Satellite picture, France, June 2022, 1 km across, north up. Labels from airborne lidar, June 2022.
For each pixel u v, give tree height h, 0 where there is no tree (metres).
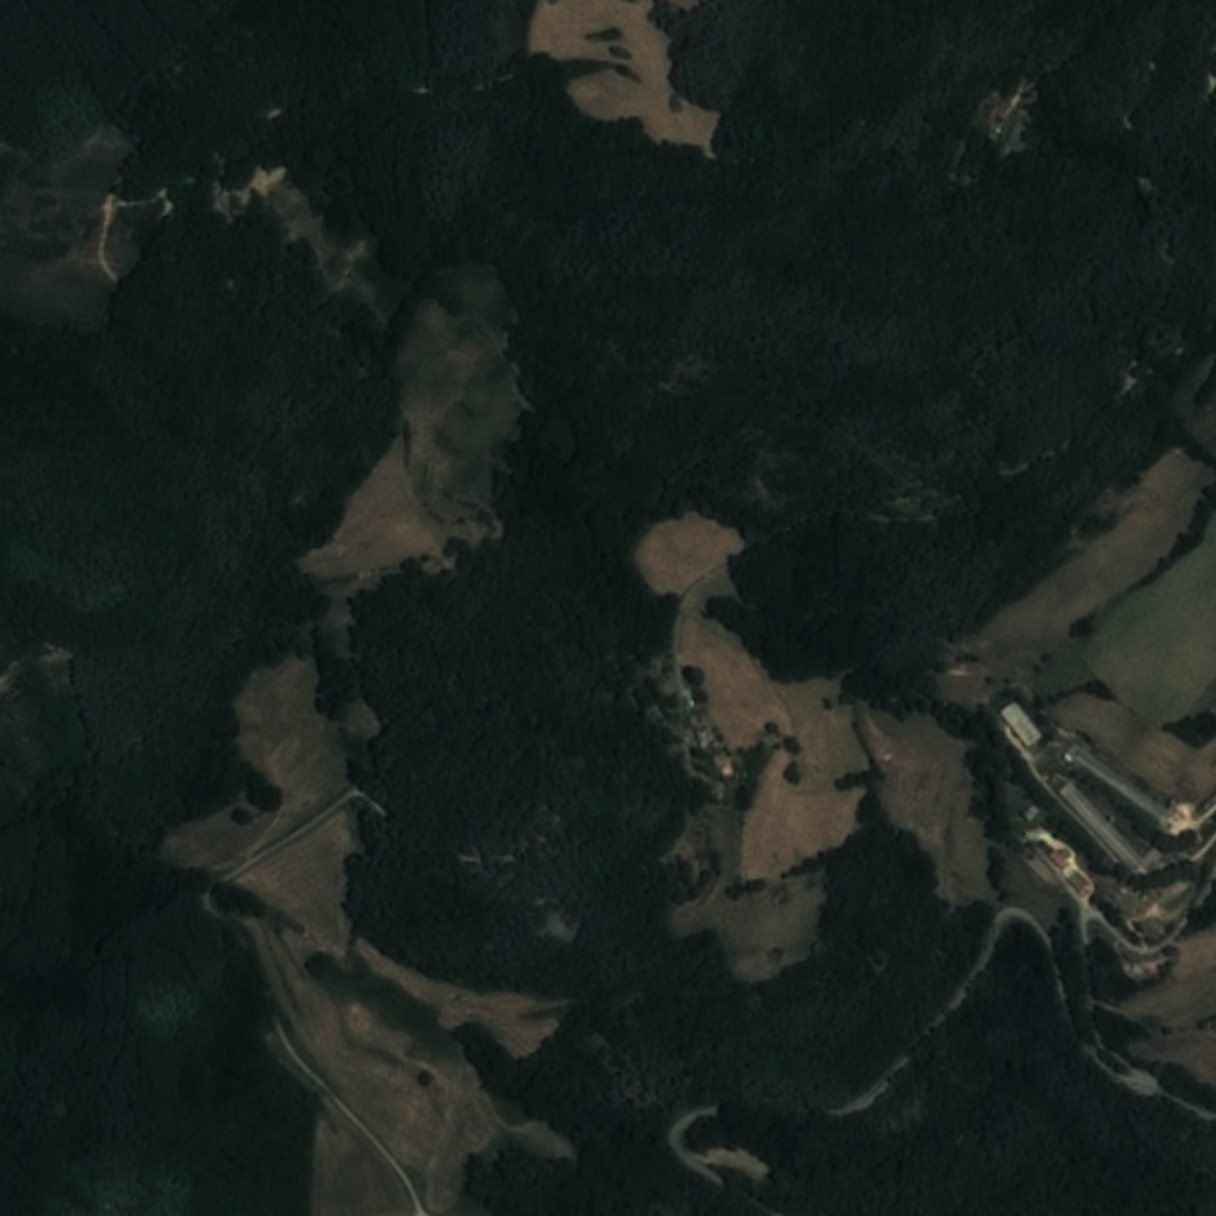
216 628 14
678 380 6
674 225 13
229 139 15
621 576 16
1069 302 20
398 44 12
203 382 15
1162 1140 19
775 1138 25
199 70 11
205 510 15
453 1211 0
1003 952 17
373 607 21
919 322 12
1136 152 17
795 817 0
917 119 14
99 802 19
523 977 19
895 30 16
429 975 18
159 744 15
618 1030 9
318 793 0
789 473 7
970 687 0
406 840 20
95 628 22
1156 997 0
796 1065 15
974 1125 22
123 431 20
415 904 18
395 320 11
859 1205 17
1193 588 0
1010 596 9
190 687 16
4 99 18
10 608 22
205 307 9
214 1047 19
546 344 12
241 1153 14
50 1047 24
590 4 0
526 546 20
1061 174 11
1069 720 0
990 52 15
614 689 9
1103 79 19
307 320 19
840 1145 16
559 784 17
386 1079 0
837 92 9
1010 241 12
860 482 10
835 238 8
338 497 14
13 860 20
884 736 0
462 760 21
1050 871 0
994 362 20
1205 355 17
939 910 12
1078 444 15
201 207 18
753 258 13
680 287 16
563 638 15
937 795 0
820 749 0
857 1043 15
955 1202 16
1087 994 10
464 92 10
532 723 16
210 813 19
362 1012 0
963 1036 16
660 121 0
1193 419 0
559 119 10
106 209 0
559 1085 19
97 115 9
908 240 15
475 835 15
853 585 15
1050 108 10
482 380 0
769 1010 7
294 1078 13
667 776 12
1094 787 9
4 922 16
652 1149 13
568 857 16
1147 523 0
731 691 0
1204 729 8
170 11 16
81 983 19
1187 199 15
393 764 21
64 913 17
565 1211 8
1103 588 0
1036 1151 18
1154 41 18
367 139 11
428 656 14
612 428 15
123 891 17
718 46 15
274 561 17
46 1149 18
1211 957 0
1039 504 11
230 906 20
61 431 16
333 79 12
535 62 12
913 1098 13
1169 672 0
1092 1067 11
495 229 19
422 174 12
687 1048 12
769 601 16
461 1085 0
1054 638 0
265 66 12
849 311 17
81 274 0
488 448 0
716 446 18
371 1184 0
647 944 13
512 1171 21
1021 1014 24
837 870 7
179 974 19
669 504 14
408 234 17
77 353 18
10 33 16
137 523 18
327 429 16
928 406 16
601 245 16
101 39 16
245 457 13
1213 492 11
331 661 19
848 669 17
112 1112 19
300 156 11
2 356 17
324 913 0
